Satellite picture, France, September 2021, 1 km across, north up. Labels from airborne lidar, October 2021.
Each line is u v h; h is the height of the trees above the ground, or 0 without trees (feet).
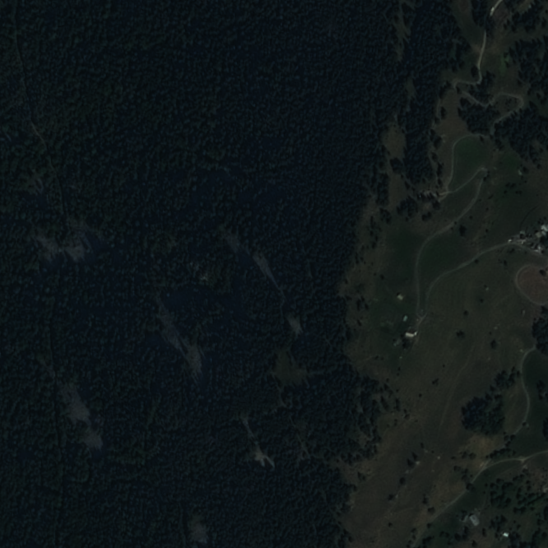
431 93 60
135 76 81
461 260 0
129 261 26
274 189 27
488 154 0
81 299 55
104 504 88
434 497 0
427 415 0
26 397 63
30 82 35
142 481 61
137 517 76
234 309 21
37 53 47
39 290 52
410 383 0
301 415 47
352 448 58
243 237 76
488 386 0
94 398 87
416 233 0
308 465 36
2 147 48
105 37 52
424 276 0
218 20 68
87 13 69
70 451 59
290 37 81
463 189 0
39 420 50
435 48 44
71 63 61
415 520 0
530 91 28
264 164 49
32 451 32
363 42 80
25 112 32
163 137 50
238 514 59
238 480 75
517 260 0
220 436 70
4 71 37
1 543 64
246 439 67
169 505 46
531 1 0
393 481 0
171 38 69
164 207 58
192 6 74
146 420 73
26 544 46
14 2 52
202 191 18
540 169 38
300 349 63
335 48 85
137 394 48
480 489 0
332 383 66
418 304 0
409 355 0
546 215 0
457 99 0
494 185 0
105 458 44
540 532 31
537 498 23
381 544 0
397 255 0
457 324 0
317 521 38
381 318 0
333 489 66
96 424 95
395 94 40
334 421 39
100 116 33
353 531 0
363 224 0
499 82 0
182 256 66
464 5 0
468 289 0
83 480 73
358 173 49
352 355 0
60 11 52
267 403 57
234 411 70
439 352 0
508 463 0
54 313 27
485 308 0
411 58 65
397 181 0
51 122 51
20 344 96
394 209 0
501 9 0
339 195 63
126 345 94
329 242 39
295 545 70
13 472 62
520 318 0
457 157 0
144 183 46
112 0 51
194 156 39
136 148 80
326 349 32
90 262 0
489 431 48
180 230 58
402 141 0
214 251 33
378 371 0
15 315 65
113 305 37
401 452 0
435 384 25
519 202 0
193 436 70
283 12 76
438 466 0
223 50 72
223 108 59
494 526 54
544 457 0
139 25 52
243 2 32
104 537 55
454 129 0
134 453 58
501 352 0
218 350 75
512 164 0
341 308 59
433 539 27
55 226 64
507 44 0
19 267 73
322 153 73
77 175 40
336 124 59
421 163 48
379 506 0
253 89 81
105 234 56
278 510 69
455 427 0
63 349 57
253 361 41
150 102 87
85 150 33
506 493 29
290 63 48
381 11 43
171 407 56
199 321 67
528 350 0
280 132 66
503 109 0
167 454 82
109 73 56
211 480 37
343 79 62
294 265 65
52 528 81
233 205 37
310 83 51
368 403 63
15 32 47
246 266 42
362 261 26
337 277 41
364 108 57
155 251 22
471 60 0
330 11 67
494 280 0
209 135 77
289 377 0
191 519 72
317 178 62
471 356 0
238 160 56
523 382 0
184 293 35
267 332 55
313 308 68
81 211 50
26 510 36
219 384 19
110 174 73
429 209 0
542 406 0
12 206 64
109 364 60
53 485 70
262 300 54
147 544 63
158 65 80
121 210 66
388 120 54
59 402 48
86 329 94
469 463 0
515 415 0
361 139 56
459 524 0
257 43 63
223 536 70
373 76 58
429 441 0
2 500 80
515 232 0
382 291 0
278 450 72
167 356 69
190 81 85
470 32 0
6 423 66
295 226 60
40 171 86
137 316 85
